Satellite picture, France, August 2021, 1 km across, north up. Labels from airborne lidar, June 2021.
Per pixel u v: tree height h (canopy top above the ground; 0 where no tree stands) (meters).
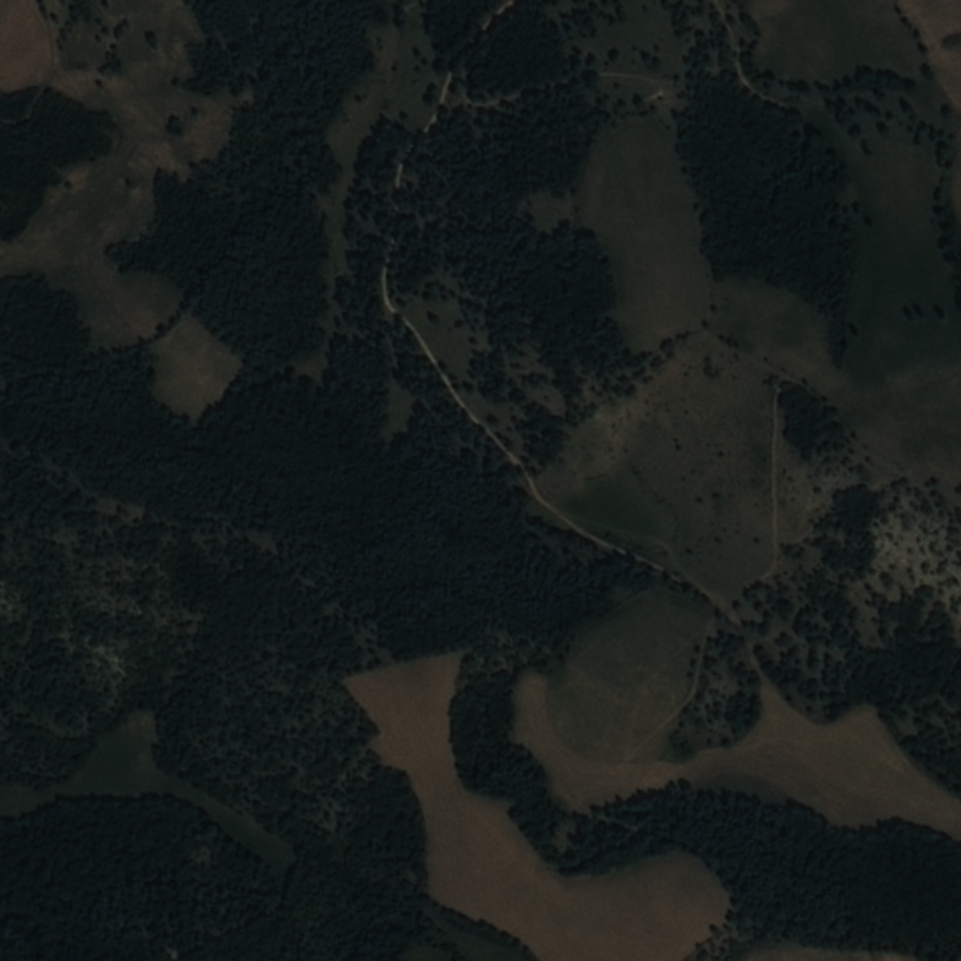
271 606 13
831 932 15
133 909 8
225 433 15
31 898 8
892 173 0
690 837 13
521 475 11
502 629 9
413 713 0
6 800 0
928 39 0
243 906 8
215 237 6
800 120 14
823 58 0
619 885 0
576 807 0
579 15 11
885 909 14
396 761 0
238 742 8
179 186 9
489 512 13
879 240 0
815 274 13
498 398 11
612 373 11
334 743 8
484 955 0
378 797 10
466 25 8
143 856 11
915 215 0
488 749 7
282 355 14
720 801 8
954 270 8
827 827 14
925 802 0
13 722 9
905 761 0
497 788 11
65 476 11
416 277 13
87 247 0
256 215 12
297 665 7
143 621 7
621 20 10
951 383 0
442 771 0
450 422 19
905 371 0
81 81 0
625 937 0
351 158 0
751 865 15
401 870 9
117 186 0
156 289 0
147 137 0
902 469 0
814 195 16
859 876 11
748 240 14
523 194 14
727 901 0
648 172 0
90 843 8
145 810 12
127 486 13
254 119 7
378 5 7
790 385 6
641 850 10
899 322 0
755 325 0
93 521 7
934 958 12
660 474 0
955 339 0
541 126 10
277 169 7
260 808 9
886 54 0
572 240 10
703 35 11
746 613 0
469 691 12
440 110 8
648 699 0
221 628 9
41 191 8
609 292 15
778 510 0
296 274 11
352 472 16
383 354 14
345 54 17
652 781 0
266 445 14
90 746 10
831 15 0
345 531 14
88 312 0
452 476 18
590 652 0
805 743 0
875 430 0
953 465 0
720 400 0
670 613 0
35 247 0
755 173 13
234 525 9
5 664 8
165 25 0
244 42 19
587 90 8
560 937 0
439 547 17
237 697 10
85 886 12
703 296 0
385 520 17
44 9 10
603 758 0
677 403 0
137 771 0
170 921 9
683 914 0
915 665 17
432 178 14
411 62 0
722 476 0
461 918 10
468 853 0
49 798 0
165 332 9
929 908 15
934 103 0
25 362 11
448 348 0
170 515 9
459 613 13
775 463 0
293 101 18
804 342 0
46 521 6
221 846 9
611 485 0
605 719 0
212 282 15
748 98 13
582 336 13
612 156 0
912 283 0
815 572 8
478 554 14
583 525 0
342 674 10
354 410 14
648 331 0
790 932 13
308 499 12
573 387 10
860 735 0
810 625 10
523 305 6
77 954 16
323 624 7
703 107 11
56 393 14
